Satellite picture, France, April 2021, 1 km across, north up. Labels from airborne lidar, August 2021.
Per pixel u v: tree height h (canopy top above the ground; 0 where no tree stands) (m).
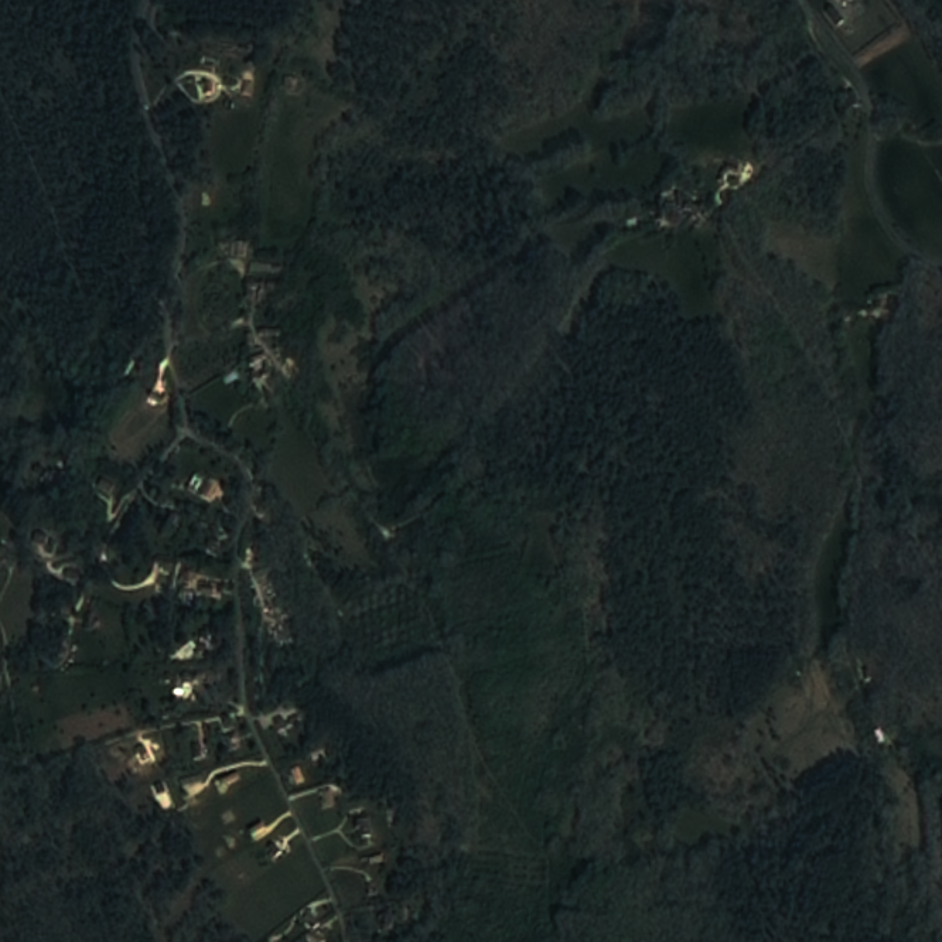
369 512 9
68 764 11
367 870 8
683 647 10
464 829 17
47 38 10
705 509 9
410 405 19
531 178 19
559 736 11
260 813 0
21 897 15
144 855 12
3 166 13
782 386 20
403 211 23
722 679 14
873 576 11
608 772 12
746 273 19
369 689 25
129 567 17
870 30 0
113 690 0
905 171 0
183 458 0
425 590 6
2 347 9
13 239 17
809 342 17
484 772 7
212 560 10
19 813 13
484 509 13
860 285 0
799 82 18
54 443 23
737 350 14
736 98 16
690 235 7
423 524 8
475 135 14
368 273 16
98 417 16
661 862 16
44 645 16
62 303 15
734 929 13
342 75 14
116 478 8
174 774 9
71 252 6
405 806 16
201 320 0
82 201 10
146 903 17
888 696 16
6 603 0
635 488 15
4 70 6
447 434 23
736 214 22
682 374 20
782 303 18
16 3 9
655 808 17
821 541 15
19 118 9
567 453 11
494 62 15
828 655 19
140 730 11
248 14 20
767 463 15
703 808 19
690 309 0
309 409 12
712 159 0
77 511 21
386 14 19
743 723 14
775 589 18
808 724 0
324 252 13
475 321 11
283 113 0
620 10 19
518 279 12
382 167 19
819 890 19
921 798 15
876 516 14
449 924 8
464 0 8
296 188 0
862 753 13
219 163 0
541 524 0
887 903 24
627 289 19
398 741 16
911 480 23
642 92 20
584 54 22
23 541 15
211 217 0
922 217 0
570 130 0
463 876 7
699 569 15
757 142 13
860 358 0
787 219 9
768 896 17
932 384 15
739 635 16
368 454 10
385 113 16
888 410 27
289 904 0
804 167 21
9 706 7
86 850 10
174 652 9
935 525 12
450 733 20
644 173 0
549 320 22
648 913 15
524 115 17
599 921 21
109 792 22
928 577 17
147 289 15
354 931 12
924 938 9
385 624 9
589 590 10
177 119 14
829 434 17
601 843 24
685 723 7
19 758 12
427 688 24
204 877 0
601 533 12
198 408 0
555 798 9
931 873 21
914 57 0
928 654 15
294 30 16
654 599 12
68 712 0
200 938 6
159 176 14
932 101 0
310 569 19
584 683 6
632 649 18
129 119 14
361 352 8
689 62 22
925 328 9
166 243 14
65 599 16
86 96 9
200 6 17
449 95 12
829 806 24
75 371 15
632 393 12
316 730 12
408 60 17
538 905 8
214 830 0
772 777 11
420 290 21
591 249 15
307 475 0
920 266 15
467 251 20
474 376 18
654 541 10
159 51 18
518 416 13
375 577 8
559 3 15
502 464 18
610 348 15
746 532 13
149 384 0
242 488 16
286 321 9
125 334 11
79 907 18
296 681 19
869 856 14
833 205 15
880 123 19
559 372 13
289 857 0
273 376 9
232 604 6
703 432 22
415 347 19
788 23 16
